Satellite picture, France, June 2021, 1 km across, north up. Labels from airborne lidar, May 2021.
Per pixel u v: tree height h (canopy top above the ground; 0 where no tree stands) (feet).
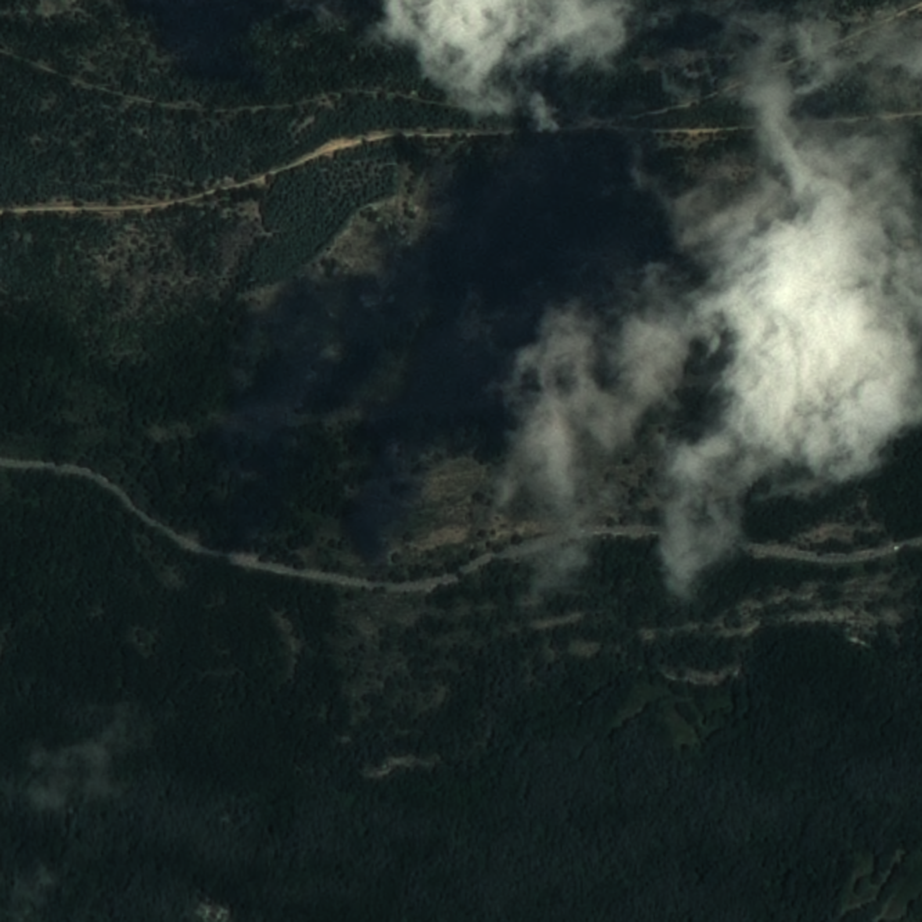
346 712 31
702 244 36
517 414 36
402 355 26
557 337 48
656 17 20
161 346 28
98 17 24
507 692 56
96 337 27
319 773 45
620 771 60
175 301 26
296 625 31
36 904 28
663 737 52
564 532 0
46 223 26
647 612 21
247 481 27
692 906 58
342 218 30
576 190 44
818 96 29
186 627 50
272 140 34
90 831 52
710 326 40
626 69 30
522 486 29
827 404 42
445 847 55
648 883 48
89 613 25
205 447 43
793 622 28
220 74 23
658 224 28
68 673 54
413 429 27
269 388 25
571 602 27
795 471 38
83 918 19
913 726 39
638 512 29
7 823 50
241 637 43
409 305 0
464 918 40
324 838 60
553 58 24
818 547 28
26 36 22
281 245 35
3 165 33
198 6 26
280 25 35
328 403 42
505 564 22
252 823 48
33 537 41
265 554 29
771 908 52
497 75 25
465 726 40
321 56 30
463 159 27
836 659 62
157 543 43
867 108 25
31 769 47
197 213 43
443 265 41
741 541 40
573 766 57
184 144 22
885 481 47
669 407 40
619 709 52
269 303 0
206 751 36
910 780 58
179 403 51
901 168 43
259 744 52
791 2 26
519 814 67
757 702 35
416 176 21
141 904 43
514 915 49
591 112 29
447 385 30
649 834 52
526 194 30
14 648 28
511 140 25
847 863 54
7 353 36
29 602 42
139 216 23
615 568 35
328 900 63
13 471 39
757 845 36
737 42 20
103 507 30
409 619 0
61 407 43
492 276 46
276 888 57
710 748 39
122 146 34
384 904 55
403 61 35
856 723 44
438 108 30
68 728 41
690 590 23
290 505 27
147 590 39
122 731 42
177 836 38
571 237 39
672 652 48
